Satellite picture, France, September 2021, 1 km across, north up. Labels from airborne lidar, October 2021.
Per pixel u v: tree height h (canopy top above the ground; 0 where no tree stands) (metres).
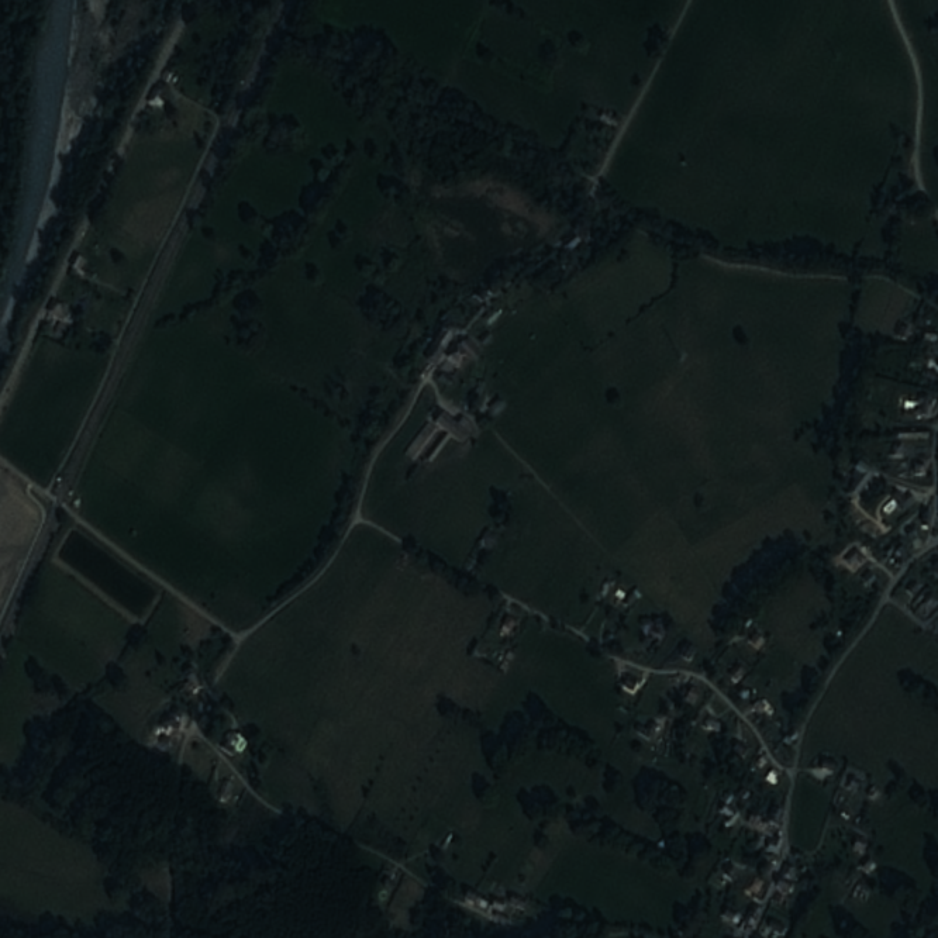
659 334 0
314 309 0
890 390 0
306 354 0
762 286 0
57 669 0
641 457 0
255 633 0
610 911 0
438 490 0
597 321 0
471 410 9
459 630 0
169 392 0
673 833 11
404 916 0
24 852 0
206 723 14
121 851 28
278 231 15
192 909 14
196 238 0
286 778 0
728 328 0
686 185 0
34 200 0
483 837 0
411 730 0
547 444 0
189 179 0
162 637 0
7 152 13
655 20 0
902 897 25
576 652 0
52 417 0
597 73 0
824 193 0
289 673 0
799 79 0
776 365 0
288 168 0
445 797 0
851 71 0
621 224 11
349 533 0
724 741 9
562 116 0
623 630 10
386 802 0
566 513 0
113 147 13
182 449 0
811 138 0
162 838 29
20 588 0
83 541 0
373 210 0
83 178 18
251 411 0
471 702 0
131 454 0
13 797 20
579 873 0
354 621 0
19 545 0
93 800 28
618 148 0
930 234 0
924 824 0
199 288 0
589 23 0
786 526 0
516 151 10
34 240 0
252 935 20
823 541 0
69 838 8
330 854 21
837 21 0
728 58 0
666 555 0
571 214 11
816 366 0
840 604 17
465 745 0
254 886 31
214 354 0
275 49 11
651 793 20
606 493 0
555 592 0
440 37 0
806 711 16
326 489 0
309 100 0
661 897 0
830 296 0
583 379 0
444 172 12
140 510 0
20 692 0
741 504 0
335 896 22
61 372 0
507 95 0
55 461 0
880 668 0
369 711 0
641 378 0
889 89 0
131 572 0
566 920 17
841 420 16
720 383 0
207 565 0
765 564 0
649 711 0
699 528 0
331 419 14
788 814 0
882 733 0
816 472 0
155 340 0
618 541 0
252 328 19
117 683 22
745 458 0
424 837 0
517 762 22
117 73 8
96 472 0
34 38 28
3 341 0
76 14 0
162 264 0
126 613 0
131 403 0
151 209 0
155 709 0
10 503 0
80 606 0
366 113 10
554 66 20
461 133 20
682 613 0
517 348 0
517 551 0
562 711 0
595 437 0
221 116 13
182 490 0
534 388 0
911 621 0
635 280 0
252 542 0
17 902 0
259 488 0
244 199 0
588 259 7
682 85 0
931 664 0
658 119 0
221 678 0
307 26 16
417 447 0
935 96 0
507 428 0
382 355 0
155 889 0
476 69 0
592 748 19
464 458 0
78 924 0
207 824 16
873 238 0
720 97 0
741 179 0
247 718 0
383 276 14
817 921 0
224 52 11
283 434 0
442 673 0
